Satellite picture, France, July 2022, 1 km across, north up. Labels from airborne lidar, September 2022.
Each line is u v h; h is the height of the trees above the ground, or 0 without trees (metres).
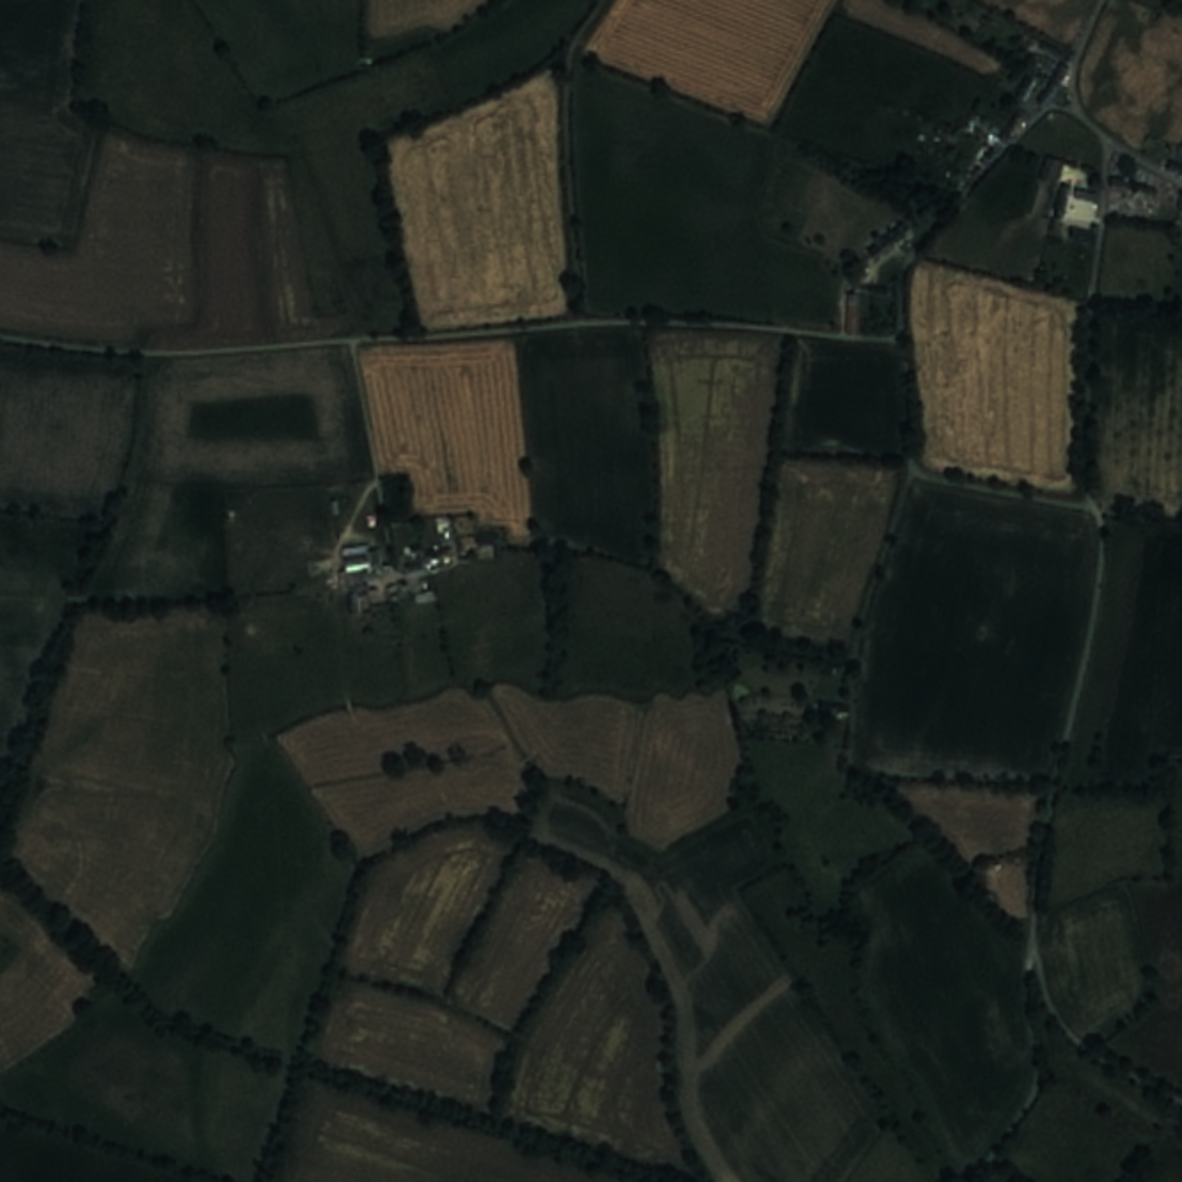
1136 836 0
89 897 0
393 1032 0
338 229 0
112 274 0
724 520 0
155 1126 0
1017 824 0
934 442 0
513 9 0
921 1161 6
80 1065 0
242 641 0
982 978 0
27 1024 0
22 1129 8
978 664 0
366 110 0
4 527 0
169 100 0
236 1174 0
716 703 0
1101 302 16
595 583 0
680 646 0
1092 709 0
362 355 0
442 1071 0
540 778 18
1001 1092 0
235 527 0
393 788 0
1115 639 0
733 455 0
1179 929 0
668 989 18
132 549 0
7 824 16
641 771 0
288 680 0
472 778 0
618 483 0
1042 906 9
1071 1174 0
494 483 0
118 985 10
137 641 0
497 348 0
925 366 0
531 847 13
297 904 0
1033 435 0
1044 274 7
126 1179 0
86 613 8
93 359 7
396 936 0
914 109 0
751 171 0
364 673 0
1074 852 0
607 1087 0
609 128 0
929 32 0
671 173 0
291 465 0
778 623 0
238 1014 0
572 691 0
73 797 0
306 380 0
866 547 0
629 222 0
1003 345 0
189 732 0
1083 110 0
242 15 0
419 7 0
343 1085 17
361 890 12
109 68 0
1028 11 0
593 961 0
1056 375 0
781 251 0
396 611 7
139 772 0
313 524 0
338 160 0
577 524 0
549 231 0
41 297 0
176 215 0
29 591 0
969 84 0
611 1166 14
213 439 0
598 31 0
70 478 0
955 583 0
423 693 0
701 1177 13
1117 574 0
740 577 0
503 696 0
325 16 0
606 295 0
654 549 17
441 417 0
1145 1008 13
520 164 0
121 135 0
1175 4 14
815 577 0
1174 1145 0
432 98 0
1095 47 0
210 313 0
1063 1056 0
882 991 0
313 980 0
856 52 0
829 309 0
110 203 0
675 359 0
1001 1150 11
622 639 0
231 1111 0
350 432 0
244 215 0
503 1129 11
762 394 0
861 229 0
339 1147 0
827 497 0
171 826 0
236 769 0
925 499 0
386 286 0
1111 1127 0
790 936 0
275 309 0
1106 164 0
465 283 0
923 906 0
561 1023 0
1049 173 0
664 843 0
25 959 0
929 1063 0
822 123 0
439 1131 0
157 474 0
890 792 13
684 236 0
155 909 0
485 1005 0
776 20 0
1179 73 0
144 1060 0
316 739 0
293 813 0
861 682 8
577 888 0
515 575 0
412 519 7
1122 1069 13
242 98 0
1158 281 0
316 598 0
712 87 0
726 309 0
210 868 0
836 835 0
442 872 0
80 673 0
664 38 0
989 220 0
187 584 0
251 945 0
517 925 0
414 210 0
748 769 7
